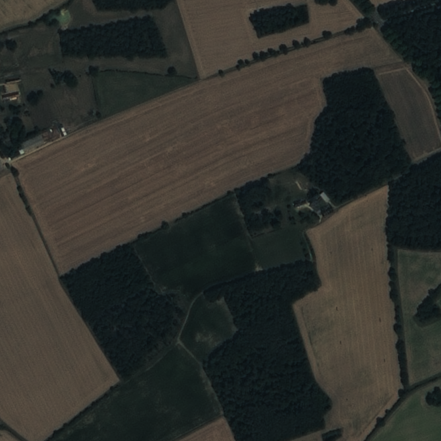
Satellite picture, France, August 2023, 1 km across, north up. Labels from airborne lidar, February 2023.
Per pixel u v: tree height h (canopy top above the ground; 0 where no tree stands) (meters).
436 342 0
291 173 0
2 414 0
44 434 0
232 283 8
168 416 0
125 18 0
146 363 15
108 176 0
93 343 0
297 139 0
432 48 27
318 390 12
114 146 0
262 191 26
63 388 0
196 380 0
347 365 0
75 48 14
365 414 0
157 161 0
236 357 23
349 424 0
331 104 15
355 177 25
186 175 0
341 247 0
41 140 0
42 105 0
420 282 0
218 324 0
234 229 0
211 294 15
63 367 0
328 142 21
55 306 0
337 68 0
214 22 0
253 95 0
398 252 0
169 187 0
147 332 24
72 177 0
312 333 0
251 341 21
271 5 0
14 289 0
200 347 0
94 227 0
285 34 0
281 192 0
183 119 0
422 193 21
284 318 18
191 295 0
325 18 0
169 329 21
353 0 15
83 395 0
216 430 0
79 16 0
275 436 19
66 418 0
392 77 0
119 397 0
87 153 0
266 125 0
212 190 0
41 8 0
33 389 0
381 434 0
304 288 18
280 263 0
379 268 0
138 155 0
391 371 0
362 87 21
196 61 0
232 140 0
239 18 0
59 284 0
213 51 0
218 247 0
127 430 0
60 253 0
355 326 0
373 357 0
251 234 7
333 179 28
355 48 0
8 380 0
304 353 14
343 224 0
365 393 0
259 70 0
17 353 0
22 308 0
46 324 0
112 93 0
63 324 0
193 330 0
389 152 25
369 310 0
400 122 0
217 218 0
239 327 15
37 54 0
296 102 0
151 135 0
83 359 0
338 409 0
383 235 0
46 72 0
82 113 0
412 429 0
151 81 0
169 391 0
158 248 0
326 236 0
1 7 0
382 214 0
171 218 0
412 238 23
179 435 0
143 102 0
